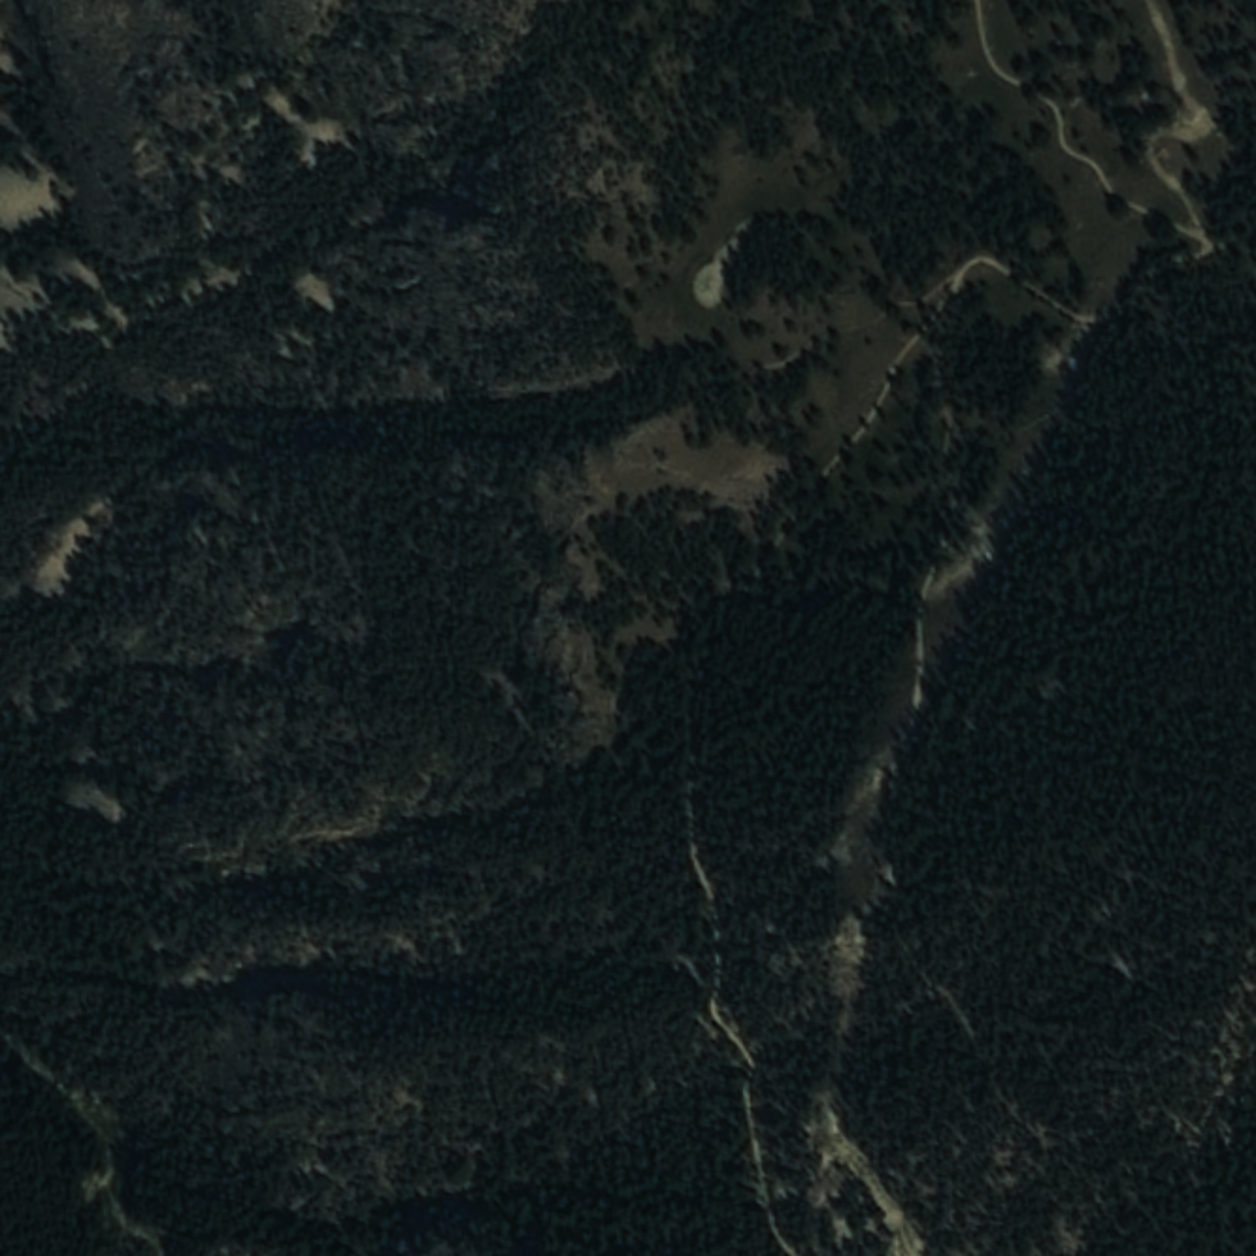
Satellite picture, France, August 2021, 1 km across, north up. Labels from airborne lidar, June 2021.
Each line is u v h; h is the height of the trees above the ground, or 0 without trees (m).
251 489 8
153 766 7
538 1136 12
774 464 0
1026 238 13
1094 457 6
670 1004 17
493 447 11
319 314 12
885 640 18
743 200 0
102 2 0
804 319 0
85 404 17
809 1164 9
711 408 11
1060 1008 10
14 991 10
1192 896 9
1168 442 19
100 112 0
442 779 8
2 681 15
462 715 18
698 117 25
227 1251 9
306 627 7
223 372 13
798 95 15
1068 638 18
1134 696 14
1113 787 12
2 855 21
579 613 12
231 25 19
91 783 13
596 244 0
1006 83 0
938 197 20
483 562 19
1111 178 0
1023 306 0
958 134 20
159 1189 29
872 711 16
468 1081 20
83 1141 28
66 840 27
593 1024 15
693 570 19
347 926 13
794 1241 11
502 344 16
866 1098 15
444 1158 11
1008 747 17
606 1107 13
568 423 16
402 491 18
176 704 8
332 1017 8
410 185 13
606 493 0
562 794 18
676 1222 19
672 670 20
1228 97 16
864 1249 16
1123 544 8
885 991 15
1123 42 0
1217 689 12
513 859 16
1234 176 12
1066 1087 13
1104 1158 17
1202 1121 12
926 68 16
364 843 8
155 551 9
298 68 12
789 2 17
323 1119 12
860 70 19
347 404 8
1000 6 0
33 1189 20
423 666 20
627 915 14
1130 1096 11
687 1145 15
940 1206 12
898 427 0
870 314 0
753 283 18
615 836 17
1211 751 16
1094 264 0
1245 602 14
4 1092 34
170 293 6
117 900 21
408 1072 8
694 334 0
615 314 20
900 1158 12
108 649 6
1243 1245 22
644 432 0
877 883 0
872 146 15
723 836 13
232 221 6
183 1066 18
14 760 23
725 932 17
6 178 0
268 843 7
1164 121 17
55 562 0
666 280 14
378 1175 12
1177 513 7
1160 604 17
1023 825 9
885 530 0
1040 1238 13
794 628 23
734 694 23
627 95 14
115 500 8
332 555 10
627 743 17
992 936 14
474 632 22
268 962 14
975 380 14
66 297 18
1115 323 8
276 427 13
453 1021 14
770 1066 8
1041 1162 15
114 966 25
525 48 12
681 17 13
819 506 17
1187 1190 22
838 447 0
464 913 12
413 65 9
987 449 6
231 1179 25
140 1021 17
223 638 7
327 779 8
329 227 18
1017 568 19
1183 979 10
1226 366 20
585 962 16
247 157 6
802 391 23
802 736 14
